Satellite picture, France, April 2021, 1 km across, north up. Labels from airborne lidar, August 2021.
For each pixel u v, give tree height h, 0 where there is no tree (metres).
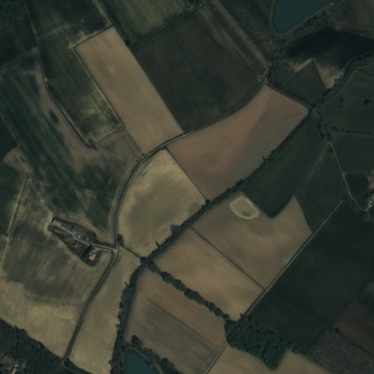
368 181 0
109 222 0
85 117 0
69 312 0
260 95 0
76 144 0
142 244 0
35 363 10
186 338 0
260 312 0
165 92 0
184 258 0
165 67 0
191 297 17
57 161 0
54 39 0
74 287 0
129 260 0
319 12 0
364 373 6
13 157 0
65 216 0
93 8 0
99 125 0
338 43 0
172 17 0
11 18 20
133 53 0
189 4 0
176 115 0
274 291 0
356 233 0
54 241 0
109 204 0
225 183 0
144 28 0
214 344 0
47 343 0
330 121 0
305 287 0
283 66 20
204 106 0
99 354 0
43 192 0
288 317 0
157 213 0
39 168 0
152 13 0
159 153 0
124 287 0
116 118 0
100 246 0
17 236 0
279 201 0
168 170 0
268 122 0
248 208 0
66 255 0
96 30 0
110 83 0
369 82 0
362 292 0
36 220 0
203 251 0
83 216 0
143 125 0
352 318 0
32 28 0
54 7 0
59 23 0
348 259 0
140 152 0
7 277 0
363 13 0
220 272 0
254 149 0
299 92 0
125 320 14
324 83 0
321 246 0
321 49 0
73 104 0
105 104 0
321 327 0
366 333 0
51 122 0
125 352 17
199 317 0
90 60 0
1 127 0
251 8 7
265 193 0
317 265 0
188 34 0
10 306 0
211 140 0
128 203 0
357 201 0
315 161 0
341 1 0
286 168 0
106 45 0
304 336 0
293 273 0
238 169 0
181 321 0
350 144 0
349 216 0
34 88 0
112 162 0
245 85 0
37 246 0
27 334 16
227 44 0
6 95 0
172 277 16
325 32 0
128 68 0
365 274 0
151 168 0
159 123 0
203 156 0
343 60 0
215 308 19
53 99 0
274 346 25
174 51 0
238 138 0
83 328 0
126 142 0
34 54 0
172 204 0
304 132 0
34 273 0
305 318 0
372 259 0
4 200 0
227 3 8
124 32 0
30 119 0
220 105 0
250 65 0
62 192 0
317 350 5
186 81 0
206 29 0
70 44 0
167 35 0
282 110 0
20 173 0
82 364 0
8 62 0
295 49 0
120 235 6
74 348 0
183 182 0
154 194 0
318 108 13
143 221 0
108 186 0
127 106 0
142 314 0
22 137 0
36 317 0
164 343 0
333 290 0
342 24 0
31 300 0
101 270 0
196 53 0
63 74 0
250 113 0
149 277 0
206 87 0
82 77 0
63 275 0
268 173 0
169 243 12
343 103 23
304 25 0
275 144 0
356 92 0
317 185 0
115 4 0
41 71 0
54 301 0
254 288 0
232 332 23
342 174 0
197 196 0
